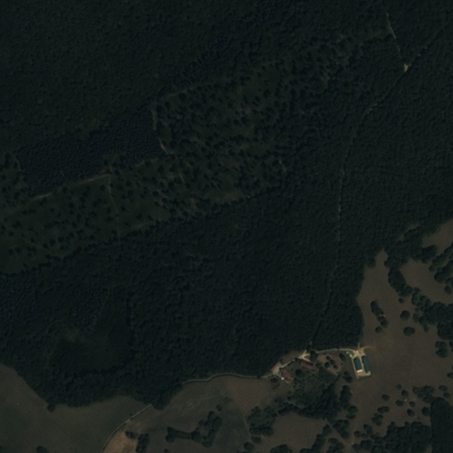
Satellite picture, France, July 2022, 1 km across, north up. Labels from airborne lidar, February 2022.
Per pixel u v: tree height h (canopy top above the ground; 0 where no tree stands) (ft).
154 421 0
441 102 49
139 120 75
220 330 60
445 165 55
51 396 62
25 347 83
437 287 0
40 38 52
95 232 59
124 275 67
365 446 49
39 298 57
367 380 0
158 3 71
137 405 0
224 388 0
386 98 29
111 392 52
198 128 77
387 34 58
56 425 0
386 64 62
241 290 56
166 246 65
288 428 0
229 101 67
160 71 64
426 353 0
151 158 86
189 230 68
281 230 64
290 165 82
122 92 61
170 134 65
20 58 60
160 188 78
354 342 52
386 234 56
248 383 0
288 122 71
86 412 0
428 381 0
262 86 0
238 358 59
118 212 0
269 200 76
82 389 88
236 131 78
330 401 35
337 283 46
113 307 0
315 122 55
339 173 42
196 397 0
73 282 58
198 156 73
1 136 52
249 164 65
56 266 53
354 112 57
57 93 59
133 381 79
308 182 61
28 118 60
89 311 57
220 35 67
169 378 64
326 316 47
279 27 78
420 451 44
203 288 61
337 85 90
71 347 20
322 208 50
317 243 49
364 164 47
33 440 0
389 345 0
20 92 72
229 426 0
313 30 48
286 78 64
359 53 65
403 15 57
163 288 70
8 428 0
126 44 73
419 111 51
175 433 51
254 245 73
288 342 57
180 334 65
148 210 0
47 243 0
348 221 49
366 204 52
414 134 55
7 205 66
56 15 48
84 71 60
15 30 57
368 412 0
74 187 0
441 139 53
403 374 0
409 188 51
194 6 57
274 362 22
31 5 52
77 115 64
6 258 0
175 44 62
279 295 54
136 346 82
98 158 76
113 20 50
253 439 23
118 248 67
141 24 77
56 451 0
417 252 59
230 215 71
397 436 46
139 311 84
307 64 68
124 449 0
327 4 73
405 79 64
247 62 77
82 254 61
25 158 73
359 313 53
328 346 54
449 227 0
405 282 37
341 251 37
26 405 0
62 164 84
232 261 61
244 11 61
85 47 51
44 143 61
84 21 52
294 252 63
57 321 64
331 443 18
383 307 0
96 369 0
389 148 52
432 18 60
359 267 48
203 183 68
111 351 0
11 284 70
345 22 69
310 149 63
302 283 55
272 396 0
